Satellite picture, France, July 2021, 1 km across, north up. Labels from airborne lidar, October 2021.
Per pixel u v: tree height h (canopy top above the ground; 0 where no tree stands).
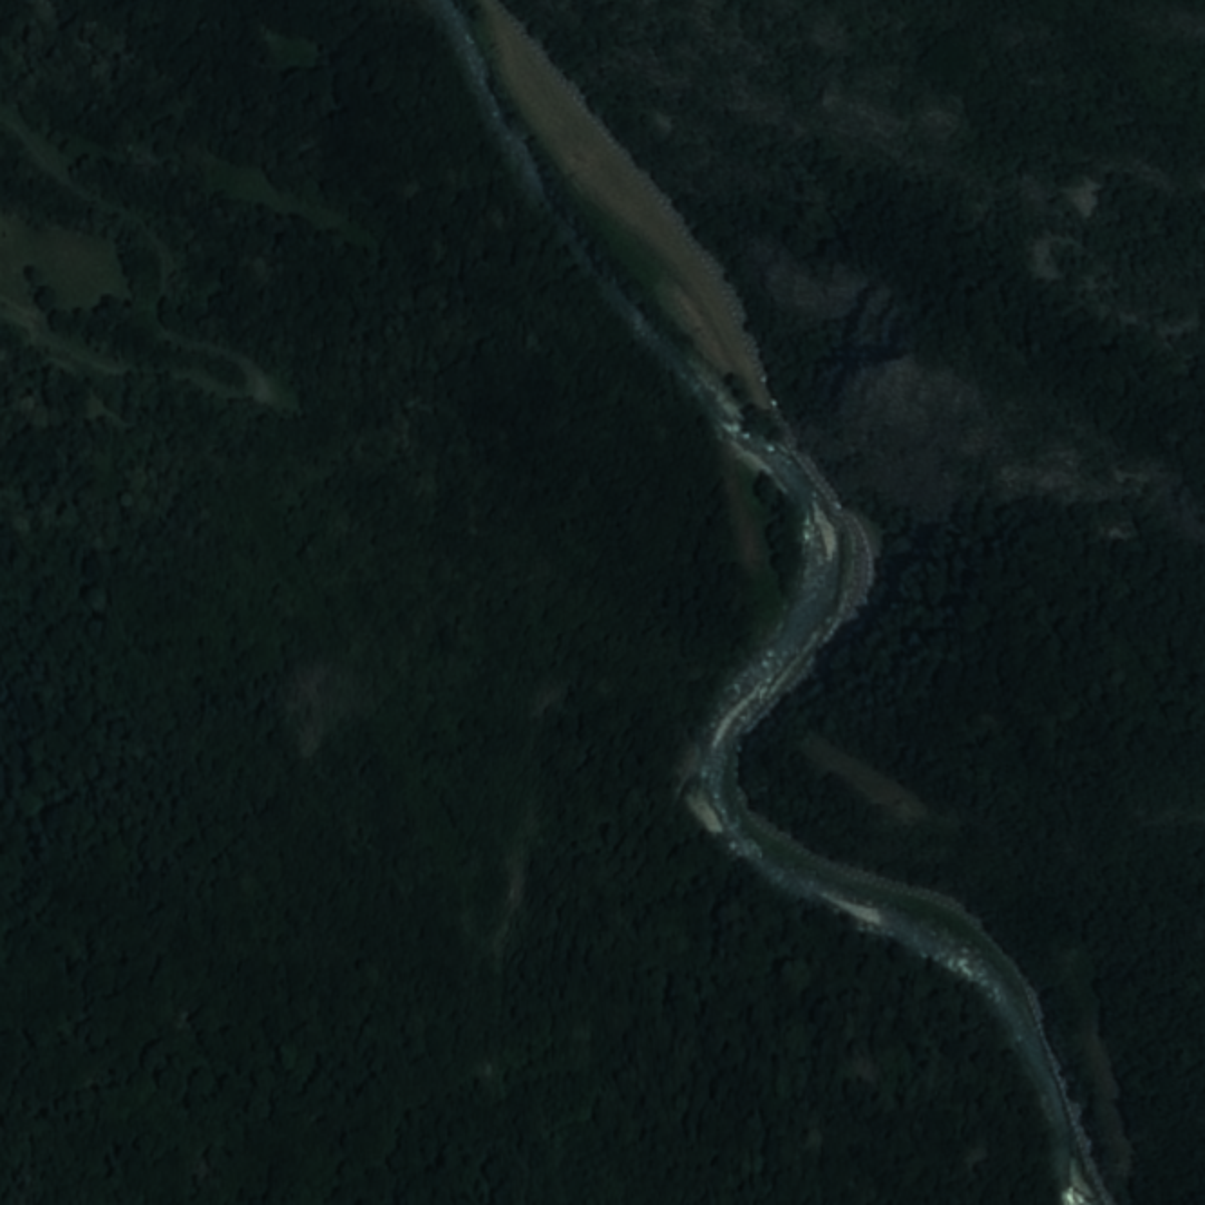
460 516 18
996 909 12
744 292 9
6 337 19
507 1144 26
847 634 15
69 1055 35
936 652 34
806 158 8
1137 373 15
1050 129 13
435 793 14
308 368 23
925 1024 17
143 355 18
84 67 16
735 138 8
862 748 8
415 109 15
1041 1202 28
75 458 20
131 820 20
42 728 24
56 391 16
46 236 14
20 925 34
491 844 18
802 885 0
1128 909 10
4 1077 28
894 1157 18
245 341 18
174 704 30
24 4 17
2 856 22
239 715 24
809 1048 25
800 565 15
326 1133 27
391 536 18
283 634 12
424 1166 11
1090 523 14
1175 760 12
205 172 14
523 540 20
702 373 0
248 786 25
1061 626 9
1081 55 7
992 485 10
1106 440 7
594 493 22
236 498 9
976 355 8
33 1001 31
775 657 0
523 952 22
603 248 29
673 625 20
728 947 33
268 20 23
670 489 21
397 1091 18
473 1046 30
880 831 6
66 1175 25
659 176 15
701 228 15
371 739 18
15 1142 28
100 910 25
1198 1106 12
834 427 7
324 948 26
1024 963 28
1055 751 17
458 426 23
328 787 27
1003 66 6
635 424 14
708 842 26
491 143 35
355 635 12
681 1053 32
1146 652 10
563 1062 10
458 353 17
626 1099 21
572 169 0
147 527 20
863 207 12
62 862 38
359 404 16
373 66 23
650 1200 19
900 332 9
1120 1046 12
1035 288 17
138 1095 28
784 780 19
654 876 32
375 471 21
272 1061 12
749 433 21
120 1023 29
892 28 6
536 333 16
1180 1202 22
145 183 20
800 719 18
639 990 10
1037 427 7
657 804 27
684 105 9
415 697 11
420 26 20
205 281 13
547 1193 51
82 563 14
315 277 17
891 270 11
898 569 12
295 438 16
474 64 0
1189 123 12
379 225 19
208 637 18
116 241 18
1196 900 11
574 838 16
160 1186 35
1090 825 16
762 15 10
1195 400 18
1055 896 19
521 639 23
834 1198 23
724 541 13
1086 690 14
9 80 16
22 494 13
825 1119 28
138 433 13
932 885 19
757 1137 19
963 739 19
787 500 27
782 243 7
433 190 19
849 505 17
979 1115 21
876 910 0
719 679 21
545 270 24
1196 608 18
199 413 19
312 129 24
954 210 15
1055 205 9
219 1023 36
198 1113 33
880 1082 6
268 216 21
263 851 27
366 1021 13
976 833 14
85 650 14
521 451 22
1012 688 23
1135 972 14
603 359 15
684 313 0
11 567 13
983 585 27
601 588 23
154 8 19
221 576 13
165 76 20
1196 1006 10
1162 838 10
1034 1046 0
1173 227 11
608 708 20
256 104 22
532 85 0
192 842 9
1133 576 23
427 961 19
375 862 28
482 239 22
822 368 17
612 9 13
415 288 15
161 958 22
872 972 33
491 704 18
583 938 22
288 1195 29
